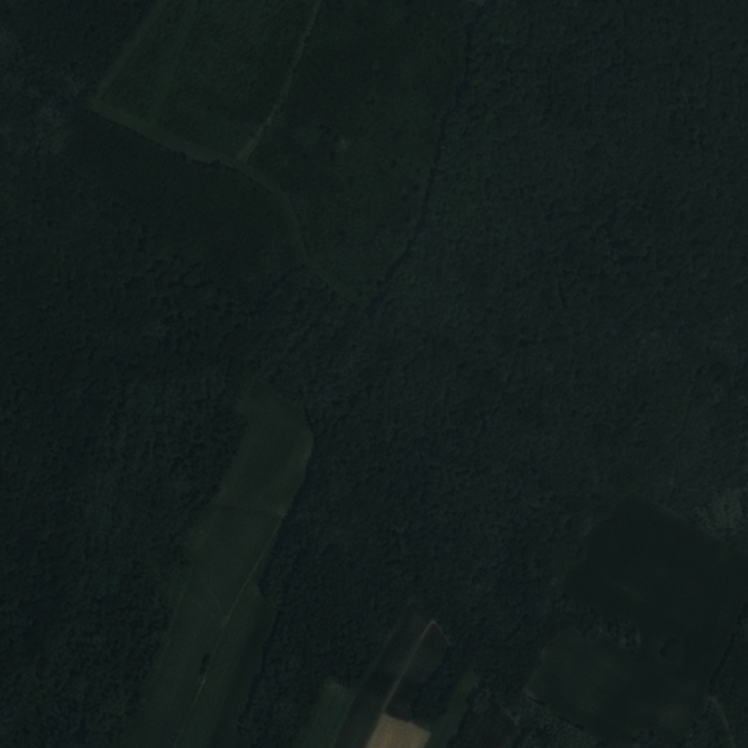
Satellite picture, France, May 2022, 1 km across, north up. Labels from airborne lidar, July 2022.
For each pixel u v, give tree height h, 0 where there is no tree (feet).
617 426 61
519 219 72
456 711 0
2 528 48
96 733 86
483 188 52
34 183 62
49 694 27
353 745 0
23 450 60
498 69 71
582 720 0
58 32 56
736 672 37
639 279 86
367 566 60
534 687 0
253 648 0
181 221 59
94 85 52
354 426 62
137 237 37
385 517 59
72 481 87
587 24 65
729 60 70
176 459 45
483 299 71
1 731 90
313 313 55
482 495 69
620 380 66
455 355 70
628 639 37
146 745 0
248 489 0
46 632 97
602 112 59
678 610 0
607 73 69
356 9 30
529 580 59
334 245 29
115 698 88
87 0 60
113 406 54
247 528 0
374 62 44
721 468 26
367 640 43
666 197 85
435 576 54
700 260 80
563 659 0
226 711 0
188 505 67
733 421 46
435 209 50
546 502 63
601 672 0
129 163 59
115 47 47
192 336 93
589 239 78
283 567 67
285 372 67
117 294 81
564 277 77
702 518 43
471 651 58
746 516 61
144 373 73
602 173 60
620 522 0
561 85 57
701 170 65
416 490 71
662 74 71
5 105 54
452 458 72
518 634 61
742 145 55
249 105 18
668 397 54
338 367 101
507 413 65
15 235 53
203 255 57
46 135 49
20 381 55
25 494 53
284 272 46
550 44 55
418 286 47
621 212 70
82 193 55
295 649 69
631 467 59
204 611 0
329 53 33
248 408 0
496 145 64
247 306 55
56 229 57
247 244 62
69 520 94
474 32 88
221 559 0
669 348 63
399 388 68
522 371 67
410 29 27
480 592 34
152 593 65
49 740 86
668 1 53
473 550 67
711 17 72
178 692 0
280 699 68
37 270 70
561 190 67
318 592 70
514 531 63
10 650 87
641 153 57
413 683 0
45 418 76
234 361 83
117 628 61
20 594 64
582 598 0
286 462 0
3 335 67
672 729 0
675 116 67
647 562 0
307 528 72
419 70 27
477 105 75
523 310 59
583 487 73
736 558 0
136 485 98
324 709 0
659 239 78
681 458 21
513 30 51
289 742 53
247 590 0
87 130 43
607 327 76
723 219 70
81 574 95
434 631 0
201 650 0
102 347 83
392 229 23
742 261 65
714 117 68
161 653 97
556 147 56
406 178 18
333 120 19
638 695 0
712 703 25
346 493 58
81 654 73
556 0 52
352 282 36
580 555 65
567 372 52
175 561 77
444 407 62
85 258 67
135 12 59
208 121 32
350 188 24
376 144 31
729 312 61
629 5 63
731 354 56
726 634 0
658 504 29
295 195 44
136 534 93
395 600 53
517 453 68
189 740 0
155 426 99
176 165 50
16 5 50
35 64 61
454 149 69
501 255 70
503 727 0
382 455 68
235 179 53
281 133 18
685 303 77
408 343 62
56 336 79
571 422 59
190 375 93
